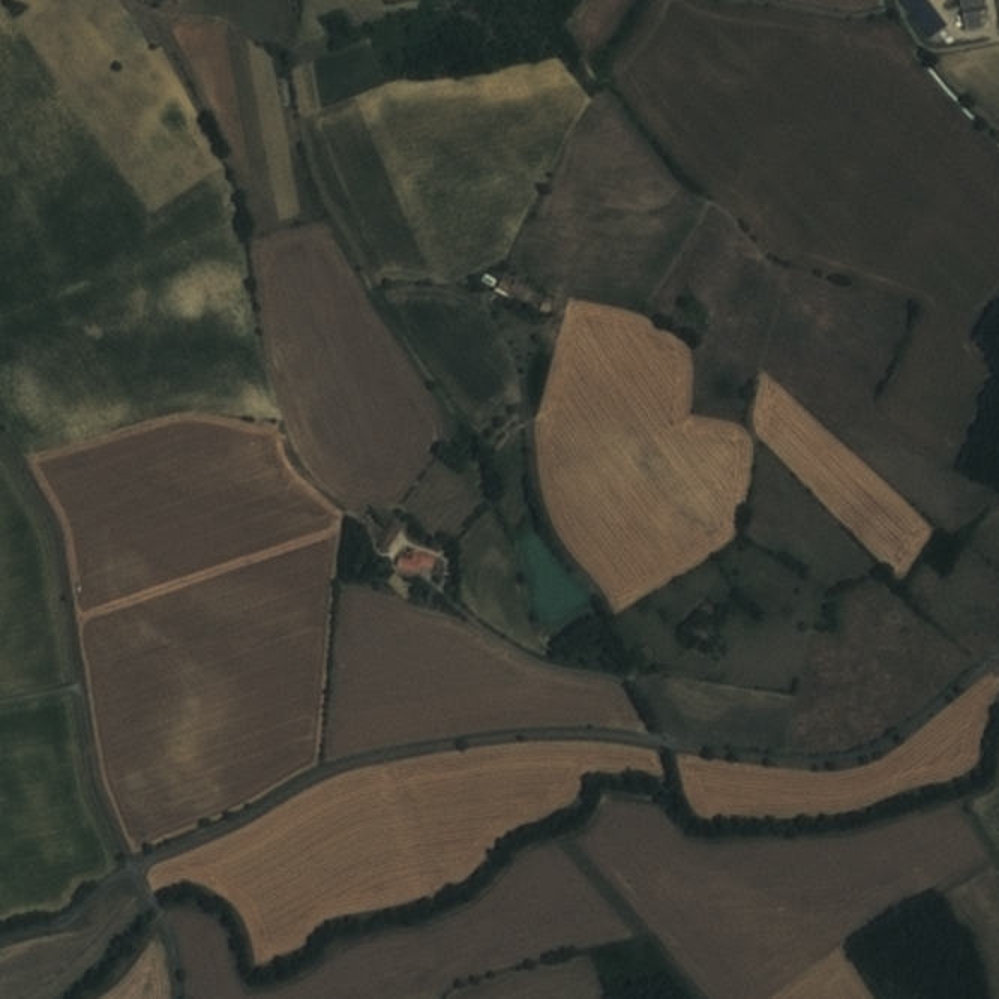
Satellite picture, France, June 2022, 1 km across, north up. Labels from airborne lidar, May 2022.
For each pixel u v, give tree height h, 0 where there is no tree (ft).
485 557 0
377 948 0
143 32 0
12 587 0
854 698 0
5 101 0
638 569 0
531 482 35
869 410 0
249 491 0
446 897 53
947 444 0
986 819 0
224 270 0
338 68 0
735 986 0
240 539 0
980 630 0
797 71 0
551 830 37
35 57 0
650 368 0
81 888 35
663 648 0
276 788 0
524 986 0
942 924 63
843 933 0
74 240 0
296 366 0
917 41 0
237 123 0
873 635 0
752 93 0
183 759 0
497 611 0
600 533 0
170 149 0
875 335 0
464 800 0
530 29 22
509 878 0
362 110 0
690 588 0
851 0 0
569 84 0
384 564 39
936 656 0
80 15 0
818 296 0
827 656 0
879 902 0
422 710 0
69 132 0
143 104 0
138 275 0
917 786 0
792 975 0
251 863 0
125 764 0
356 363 0
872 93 0
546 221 0
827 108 0
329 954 0
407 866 0
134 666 0
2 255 0
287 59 20
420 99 0
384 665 0
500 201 0
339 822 0
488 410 0
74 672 0
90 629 0
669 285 0
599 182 0
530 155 0
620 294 0
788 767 0
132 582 0
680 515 0
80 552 0
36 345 0
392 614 0
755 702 0
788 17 0
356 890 0
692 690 0
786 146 0
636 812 0
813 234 0
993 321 57
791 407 0
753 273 0
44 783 0
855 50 0
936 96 0
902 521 0
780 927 0
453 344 0
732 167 0
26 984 0
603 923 0
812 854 0
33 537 0
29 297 0
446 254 0
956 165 0
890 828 0
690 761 0
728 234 0
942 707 0
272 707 0
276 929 0
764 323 0
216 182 0
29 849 0
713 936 0
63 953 0
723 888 0
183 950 0
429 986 0
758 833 42
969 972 61
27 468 0
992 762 45
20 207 0
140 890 0
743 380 0
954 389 0
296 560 0
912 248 0
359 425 0
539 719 0
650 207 0
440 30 33
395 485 0
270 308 0
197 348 0
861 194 0
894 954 52
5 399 0
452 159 0
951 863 0
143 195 0
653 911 0
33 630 0
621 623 0
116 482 0
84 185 0
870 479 0
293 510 0
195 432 0
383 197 0
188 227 0
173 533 0
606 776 36
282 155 0
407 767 0
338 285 0
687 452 0
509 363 0
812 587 0
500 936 0
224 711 0
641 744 0
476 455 68
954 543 20
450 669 0
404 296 0
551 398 0
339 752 0
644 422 0
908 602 30
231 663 0
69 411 0
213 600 0
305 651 0
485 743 0
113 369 0
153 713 0
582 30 0
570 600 0
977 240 0
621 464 0
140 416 0
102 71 0
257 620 0
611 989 63
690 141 0
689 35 0
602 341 0
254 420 18
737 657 0
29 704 0
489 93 0
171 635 0
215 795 0
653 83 0
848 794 0
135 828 0
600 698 0
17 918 37
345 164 0
